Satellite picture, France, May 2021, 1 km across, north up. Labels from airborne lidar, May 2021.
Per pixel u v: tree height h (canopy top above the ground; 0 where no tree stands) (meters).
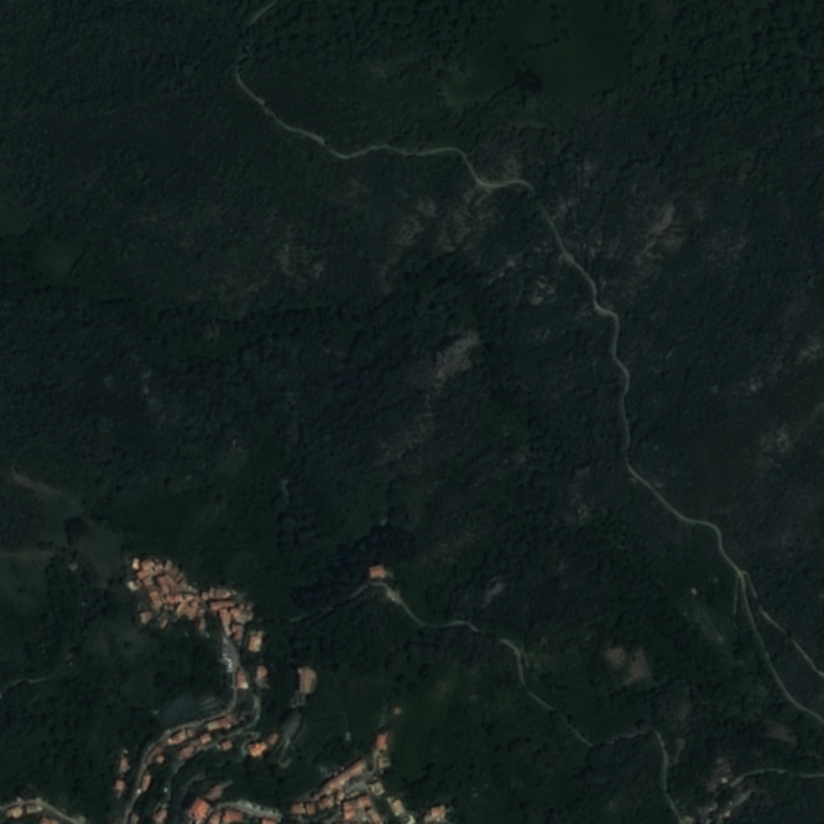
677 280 5
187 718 0
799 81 17
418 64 11
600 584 18
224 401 12
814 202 7
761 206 8
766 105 16
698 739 16
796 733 7
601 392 9
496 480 7
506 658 16
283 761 0
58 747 13
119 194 9
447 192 9
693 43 10
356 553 33
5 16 7
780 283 7
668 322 6
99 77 10
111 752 7
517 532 11
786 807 9
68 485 16
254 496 8
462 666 11
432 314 13
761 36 18
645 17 11
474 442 6
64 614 6
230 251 14
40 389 8
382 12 11
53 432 13
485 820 0
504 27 0
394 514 14
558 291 6
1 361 16
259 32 10
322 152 12
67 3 11
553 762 15
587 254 7
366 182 9
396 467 9
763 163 9
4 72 10
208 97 7
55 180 9
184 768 11
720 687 11
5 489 20
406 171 10
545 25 0
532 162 10
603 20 0
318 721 0
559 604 5
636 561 8
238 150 7
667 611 15
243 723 9
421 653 18
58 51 10
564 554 14
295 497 15
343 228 13
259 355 7
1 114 6
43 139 7
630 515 11
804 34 19
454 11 15
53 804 9
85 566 13
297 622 8
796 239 6
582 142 6
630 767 8
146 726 7
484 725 7
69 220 13
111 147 9
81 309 16
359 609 10
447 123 11
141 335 18
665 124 7
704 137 11
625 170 11
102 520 14
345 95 7
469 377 12
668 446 7
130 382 6
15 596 0
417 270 21
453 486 6
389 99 6
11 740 7
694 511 6
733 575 0
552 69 0
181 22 13
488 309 19
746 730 9
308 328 26
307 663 12
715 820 7
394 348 15
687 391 6
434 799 6
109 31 13
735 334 6
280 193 12
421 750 0
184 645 7
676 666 10
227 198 6
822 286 6
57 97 8
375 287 7
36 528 18
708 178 12
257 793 7
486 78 0
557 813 12
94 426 13
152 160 7
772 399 5
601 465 6
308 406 8
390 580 7
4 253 17
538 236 7
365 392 6
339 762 11
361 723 0
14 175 10
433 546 11
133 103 8
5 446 14
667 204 0
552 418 6
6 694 8
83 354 6
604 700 10
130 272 7
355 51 8
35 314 14
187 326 21
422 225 7
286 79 6
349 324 9
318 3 9
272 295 7
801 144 7
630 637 6
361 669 10
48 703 7
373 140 10
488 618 10
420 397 7
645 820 12
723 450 6
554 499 9
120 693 7
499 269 9
